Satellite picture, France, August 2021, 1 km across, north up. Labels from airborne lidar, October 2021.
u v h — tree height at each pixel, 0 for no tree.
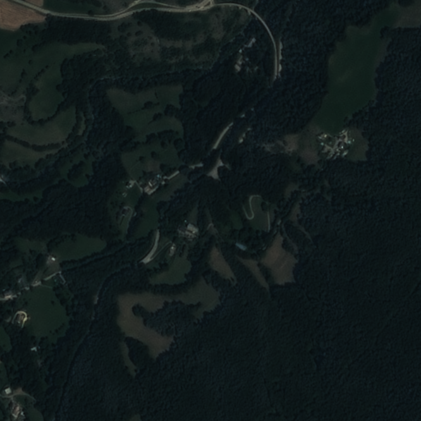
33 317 0
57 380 29
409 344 25
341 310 26
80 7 0
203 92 33
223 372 22
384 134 14
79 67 21
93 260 12
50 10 0
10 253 11
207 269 14
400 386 17
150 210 0
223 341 23
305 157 0
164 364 20
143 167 0
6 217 32
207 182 26
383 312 27
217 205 25
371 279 25
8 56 13
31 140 0
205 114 26
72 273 21
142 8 0
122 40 8
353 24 7
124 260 19
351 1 28
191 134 27
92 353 18
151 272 14
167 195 0
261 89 20
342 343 24
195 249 6
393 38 6
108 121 27
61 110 17
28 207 27
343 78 0
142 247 26
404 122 21
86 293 15
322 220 17
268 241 20
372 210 18
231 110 23
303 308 31
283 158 19
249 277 22
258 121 17
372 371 25
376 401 23
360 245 17
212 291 0
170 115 17
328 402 23
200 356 23
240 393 23
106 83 17
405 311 26
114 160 13
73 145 16
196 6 0
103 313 16
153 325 11
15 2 0
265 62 17
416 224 29
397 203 28
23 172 22
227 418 19
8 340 0
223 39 12
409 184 22
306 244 19
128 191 0
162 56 6
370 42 0
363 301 26
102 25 7
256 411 18
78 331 15
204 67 10
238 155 15
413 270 21
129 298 0
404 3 12
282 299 32
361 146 0
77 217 30
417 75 18
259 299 20
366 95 0
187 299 0
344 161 20
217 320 21
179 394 22
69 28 19
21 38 0
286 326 32
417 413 17
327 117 0
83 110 20
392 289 29
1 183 13
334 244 22
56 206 28
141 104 0
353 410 22
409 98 22
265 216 0
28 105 12
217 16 7
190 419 22
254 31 14
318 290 26
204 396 21
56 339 0
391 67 19
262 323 17
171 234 12
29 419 10
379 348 25
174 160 0
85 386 21
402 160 27
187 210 9
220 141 0
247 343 21
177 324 12
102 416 24
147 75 21
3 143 12
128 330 0
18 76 0
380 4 14
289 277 0
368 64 0
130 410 15
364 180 23
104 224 19
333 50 13
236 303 16
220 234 7
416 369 21
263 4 8
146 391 17
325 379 27
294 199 14
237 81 19
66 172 0
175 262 0
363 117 10
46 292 0
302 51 10
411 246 21
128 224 0
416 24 0
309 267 25
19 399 0
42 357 7
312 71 24
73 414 26
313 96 16
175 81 17
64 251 0
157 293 13
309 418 23
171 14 10
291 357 26
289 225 7
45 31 13
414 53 19
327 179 13
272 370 21
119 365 21
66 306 13
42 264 18
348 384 23
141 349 26
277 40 12
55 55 0
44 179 24
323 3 18
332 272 20
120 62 12
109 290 12
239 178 28
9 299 7
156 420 18
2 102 0
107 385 21
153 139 19
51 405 23
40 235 30
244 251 12
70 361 15
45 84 0
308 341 25
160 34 8
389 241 23
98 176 21
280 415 23
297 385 25
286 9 14
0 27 0
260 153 16
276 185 27
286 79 12
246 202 9
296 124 14
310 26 16
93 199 24
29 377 29
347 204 12
